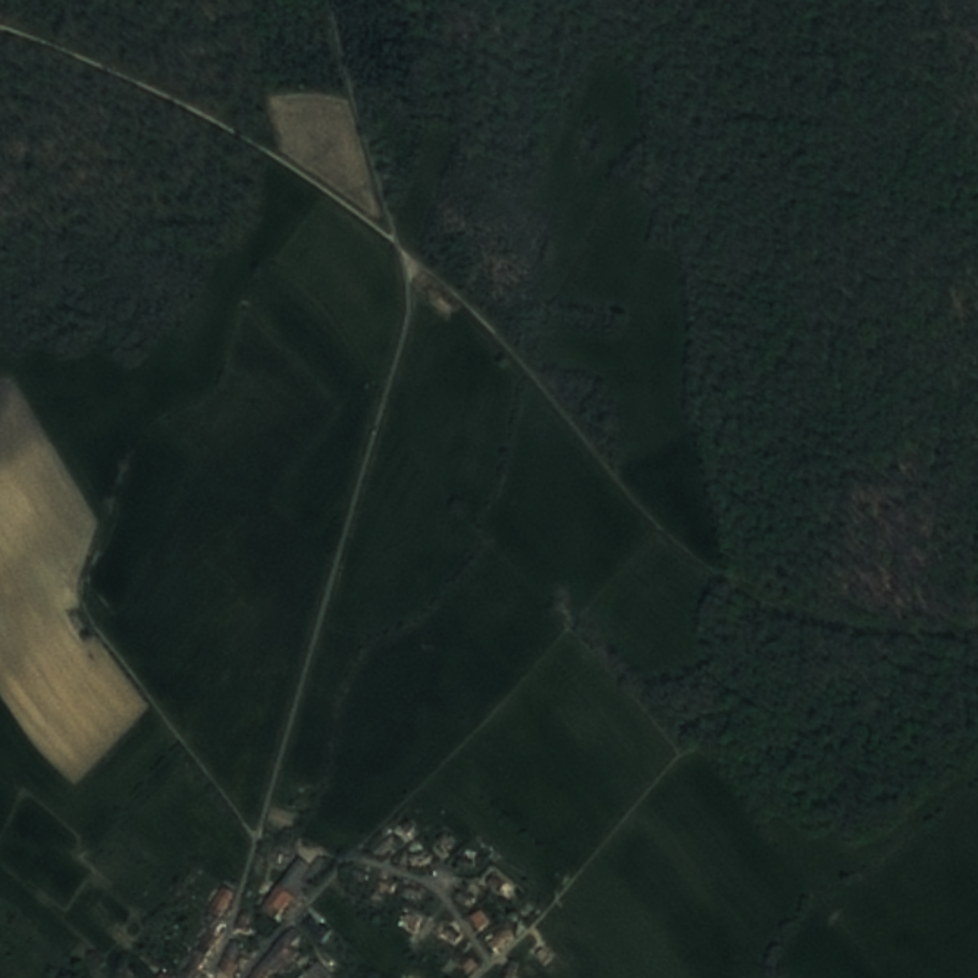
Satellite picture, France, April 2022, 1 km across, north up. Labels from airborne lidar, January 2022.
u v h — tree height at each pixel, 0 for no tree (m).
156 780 0
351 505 0
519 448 0
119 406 0
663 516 0
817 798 25
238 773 0
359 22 28
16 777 0
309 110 0
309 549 0
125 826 0
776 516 23
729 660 26
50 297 22
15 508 0
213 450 0
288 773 0
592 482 0
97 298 14
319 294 0
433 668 0
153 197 25
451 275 6
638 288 0
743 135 22
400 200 10
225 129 0
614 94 0
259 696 0
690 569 0
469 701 0
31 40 0
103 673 0
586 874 0
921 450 23
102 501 0
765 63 21
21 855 0
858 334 20
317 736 0
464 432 0
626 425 0
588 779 0
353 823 0
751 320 21
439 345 0
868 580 31
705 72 20
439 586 0
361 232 0
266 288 0
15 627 0
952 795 0
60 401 0
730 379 19
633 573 0
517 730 0
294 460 0
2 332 17
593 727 0
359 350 0
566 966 0
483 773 0
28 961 0
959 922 0
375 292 0
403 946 0
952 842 0
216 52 21
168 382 0
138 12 22
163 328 18
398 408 0
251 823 0
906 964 0
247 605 0
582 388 22
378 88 25
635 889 0
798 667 21
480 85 26
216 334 0
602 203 0
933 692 25
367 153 0
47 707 0
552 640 0
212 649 0
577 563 0
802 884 0
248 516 0
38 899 0
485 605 0
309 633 0
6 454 0
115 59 20
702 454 11
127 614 0
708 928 0
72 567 0
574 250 0
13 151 26
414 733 0
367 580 0
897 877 0
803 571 25
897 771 27
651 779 0
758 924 0
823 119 22
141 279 17
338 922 0
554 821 0
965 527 27
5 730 0
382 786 0
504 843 0
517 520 0
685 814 0
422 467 0
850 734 25
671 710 20
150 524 0
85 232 24
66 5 24
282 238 0
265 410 0
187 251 19
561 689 0
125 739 0
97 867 0
